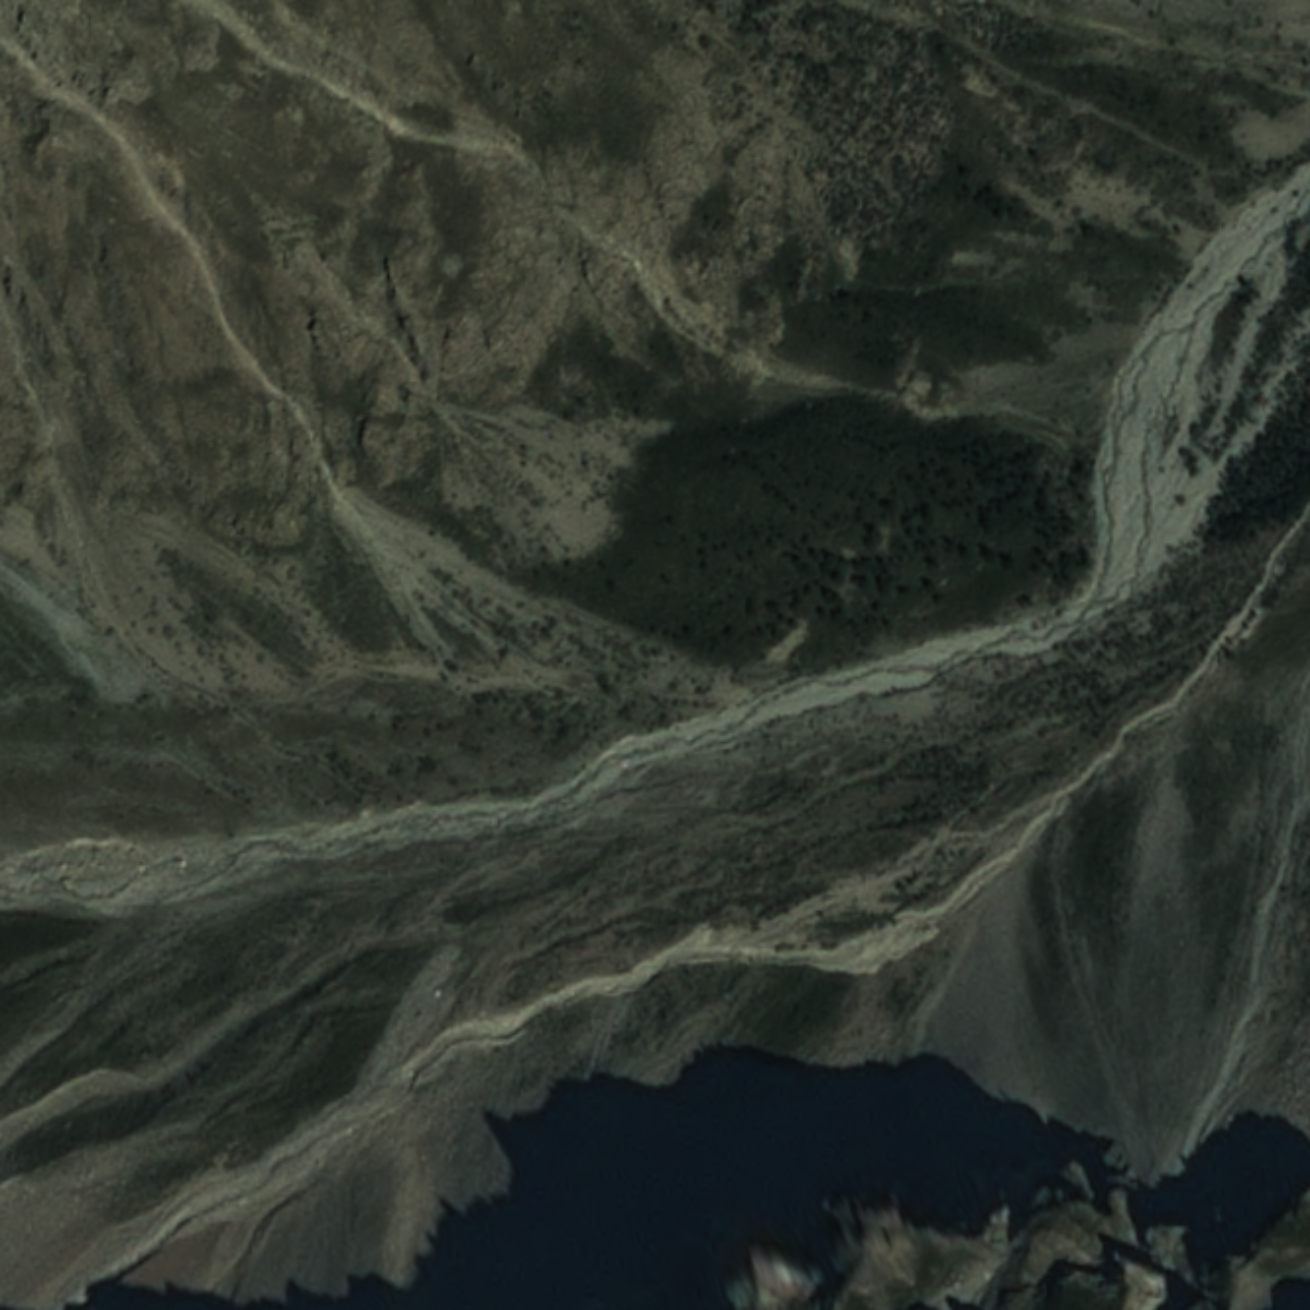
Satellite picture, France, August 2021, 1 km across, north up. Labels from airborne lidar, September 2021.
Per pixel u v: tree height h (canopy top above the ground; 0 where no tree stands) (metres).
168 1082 0
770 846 0
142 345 0
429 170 0
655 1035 0
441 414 0
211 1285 0
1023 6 0
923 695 0
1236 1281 0
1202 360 0
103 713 0
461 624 0
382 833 0
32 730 0
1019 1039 0
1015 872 0
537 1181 0
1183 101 0
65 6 0
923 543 7
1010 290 0
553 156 0
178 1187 0
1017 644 0
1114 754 0
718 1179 0
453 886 0
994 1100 0
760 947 0
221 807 0
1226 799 0
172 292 0
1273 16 0
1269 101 0
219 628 0
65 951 0
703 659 0
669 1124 0
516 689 0
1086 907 0
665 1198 0
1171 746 0
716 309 0
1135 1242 0
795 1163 0
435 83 0
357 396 0
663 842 0
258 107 0
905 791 0
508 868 0
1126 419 0
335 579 0
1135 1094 0
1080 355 0
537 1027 0
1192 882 0
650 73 0
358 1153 0
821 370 0
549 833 0
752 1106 0
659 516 0
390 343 0
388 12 0
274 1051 0
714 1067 0
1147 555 0
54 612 0
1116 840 0
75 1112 0
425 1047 0
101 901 0
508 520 0
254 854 0
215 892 0
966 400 0
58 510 0
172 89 0
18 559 0
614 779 0
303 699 0
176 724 0
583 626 0
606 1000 0
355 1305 0
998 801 0
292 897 0
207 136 0
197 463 0
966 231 0
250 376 0
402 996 0
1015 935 0
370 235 0
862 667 0
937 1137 0
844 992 0
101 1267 0
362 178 0
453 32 0
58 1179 0
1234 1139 0
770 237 0
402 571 0
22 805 0
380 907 0
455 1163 0
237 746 0
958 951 0
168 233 0
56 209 0
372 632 0
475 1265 0
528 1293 0
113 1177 0
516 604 0
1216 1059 0
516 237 0
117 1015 0
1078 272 0
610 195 0
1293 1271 0
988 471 13
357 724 0
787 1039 0
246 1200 0
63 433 0
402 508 0
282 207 0
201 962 0
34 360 0
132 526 0
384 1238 0
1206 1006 0
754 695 0
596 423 0
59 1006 0
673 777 0
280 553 0
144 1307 0
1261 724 0
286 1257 0
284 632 0
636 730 0
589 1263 0
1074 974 0
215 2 0
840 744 0
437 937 0
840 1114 0
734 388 0
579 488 0
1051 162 0
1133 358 0
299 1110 0
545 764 0
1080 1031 0
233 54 0
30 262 0
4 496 0
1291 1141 0
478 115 0
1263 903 0
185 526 0
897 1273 0
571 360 0
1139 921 0
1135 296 0
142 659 0
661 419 0
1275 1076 0
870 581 13
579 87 0
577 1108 0
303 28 0
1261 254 0
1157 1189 0
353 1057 0
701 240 0
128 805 0
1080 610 0
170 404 0
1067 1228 0
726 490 0
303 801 0
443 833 0
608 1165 0
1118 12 0
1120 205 0
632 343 0
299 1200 0
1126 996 0
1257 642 0
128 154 0
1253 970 0
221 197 0
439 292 0
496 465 0
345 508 0
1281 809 0
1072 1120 0
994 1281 0
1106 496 0
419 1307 0
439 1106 0
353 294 0
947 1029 0
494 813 0
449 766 0
